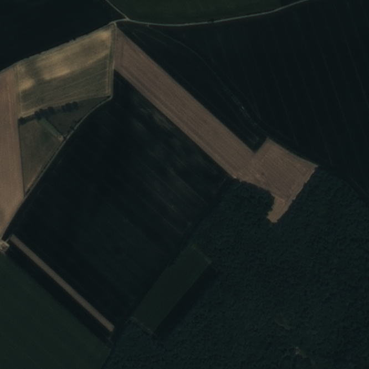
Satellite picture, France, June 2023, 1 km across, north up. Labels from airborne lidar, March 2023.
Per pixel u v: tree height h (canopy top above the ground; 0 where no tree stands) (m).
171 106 0
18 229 0
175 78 0
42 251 0
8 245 0
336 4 0
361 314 27
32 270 0
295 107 0
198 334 22
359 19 0
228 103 0
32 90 0
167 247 0
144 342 22
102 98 0
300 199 16
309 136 0
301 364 23
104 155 0
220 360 18
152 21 0
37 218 0
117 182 0
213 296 19
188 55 0
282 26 0
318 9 0
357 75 0
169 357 23
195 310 17
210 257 13
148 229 0
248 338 17
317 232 16
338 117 0
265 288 17
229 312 18
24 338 0
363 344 22
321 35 0
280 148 0
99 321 0
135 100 0
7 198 0
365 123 0
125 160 0
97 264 0
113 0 0
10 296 0
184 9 0
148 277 0
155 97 0
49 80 0
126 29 0
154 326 0
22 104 0
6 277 0
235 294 20
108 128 0
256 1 0
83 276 0
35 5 0
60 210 0
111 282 0
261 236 20
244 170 0
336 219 15
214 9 0
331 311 21
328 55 0
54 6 0
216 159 0
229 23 0
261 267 17
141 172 0
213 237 20
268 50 0
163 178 0
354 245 21
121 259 0
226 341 21
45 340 0
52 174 0
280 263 15
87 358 0
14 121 0
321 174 13
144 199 0
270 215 0
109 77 0
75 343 0
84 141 0
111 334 0
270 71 0
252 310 18
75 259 0
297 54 0
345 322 20
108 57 0
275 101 0
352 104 0
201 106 0
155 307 0
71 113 0
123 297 0
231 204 18
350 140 0
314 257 13
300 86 0
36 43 0
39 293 0
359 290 25
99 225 0
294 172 0
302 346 16
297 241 20
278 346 16
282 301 17
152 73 0
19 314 0
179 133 0
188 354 16
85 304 0
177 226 0
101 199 0
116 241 0
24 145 0
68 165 0
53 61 0
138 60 0
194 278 0
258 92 0
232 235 19
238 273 14
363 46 0
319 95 0
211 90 0
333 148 0
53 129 0
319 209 23
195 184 0
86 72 0
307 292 18
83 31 0
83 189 0
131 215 0
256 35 0
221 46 0
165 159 0
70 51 0
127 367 20
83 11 0
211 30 0
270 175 0
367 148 0
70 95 0
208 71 0
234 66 0
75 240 0
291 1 0
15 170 0
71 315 0
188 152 0
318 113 0
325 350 12
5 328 0
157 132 0
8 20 0
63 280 0
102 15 0
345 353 22
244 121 0
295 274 19
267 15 0
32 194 0
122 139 0
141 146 0
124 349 19
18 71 0
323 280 17
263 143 0
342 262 23
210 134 0
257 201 22
